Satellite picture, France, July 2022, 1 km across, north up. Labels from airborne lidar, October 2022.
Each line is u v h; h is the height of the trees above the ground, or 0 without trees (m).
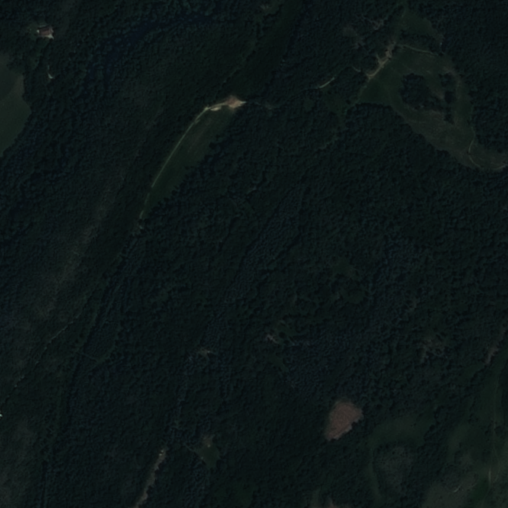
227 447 22
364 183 15
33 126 15
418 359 13
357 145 13
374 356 31
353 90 15
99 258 17
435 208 18
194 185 23
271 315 20
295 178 18
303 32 22
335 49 16
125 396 14
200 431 27
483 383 9
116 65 15
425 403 12
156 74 8
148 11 18
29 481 9
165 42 14
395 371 15
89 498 16
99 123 9
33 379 13
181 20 18
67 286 11
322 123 14
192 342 20
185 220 21
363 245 11
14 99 0
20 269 11
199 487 33
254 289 20
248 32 23
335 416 0
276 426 7
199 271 10
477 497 0
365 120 13
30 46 14
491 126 17
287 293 11
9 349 10
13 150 13
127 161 10
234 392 14
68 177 18
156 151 25
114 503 17
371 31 7
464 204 16
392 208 10
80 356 24
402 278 15
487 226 18
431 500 0
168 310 18
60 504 15
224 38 24
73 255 7
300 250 15
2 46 14
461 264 22
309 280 13
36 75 14
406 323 19
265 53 7
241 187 16
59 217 10
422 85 27
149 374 14
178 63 16
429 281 12
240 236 14
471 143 0
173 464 21
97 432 16
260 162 10
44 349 14
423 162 23
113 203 8
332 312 14
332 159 19
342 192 6
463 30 12
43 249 9
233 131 12
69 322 9
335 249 12
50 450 25
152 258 12
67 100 12
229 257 10
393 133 22
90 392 19
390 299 20
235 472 12
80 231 8
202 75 25
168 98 20
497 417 0
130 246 34
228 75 12
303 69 24
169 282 28
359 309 17
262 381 13
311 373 22
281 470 16
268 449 9
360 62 9
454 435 0
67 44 6
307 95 15
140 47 20
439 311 10
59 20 8
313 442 14
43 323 9
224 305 25
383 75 0
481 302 14
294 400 13
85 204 11
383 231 14
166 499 14
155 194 0
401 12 16
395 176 8
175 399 20
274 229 28
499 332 14
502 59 11
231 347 16
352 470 9
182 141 0
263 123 13
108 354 19
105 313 27
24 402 19
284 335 21
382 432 0
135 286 26
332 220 8
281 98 16
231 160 17
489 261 21
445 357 10
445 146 0
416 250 9
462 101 0
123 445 11
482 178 21
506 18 16
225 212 15
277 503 23
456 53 13
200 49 14
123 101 12
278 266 8
